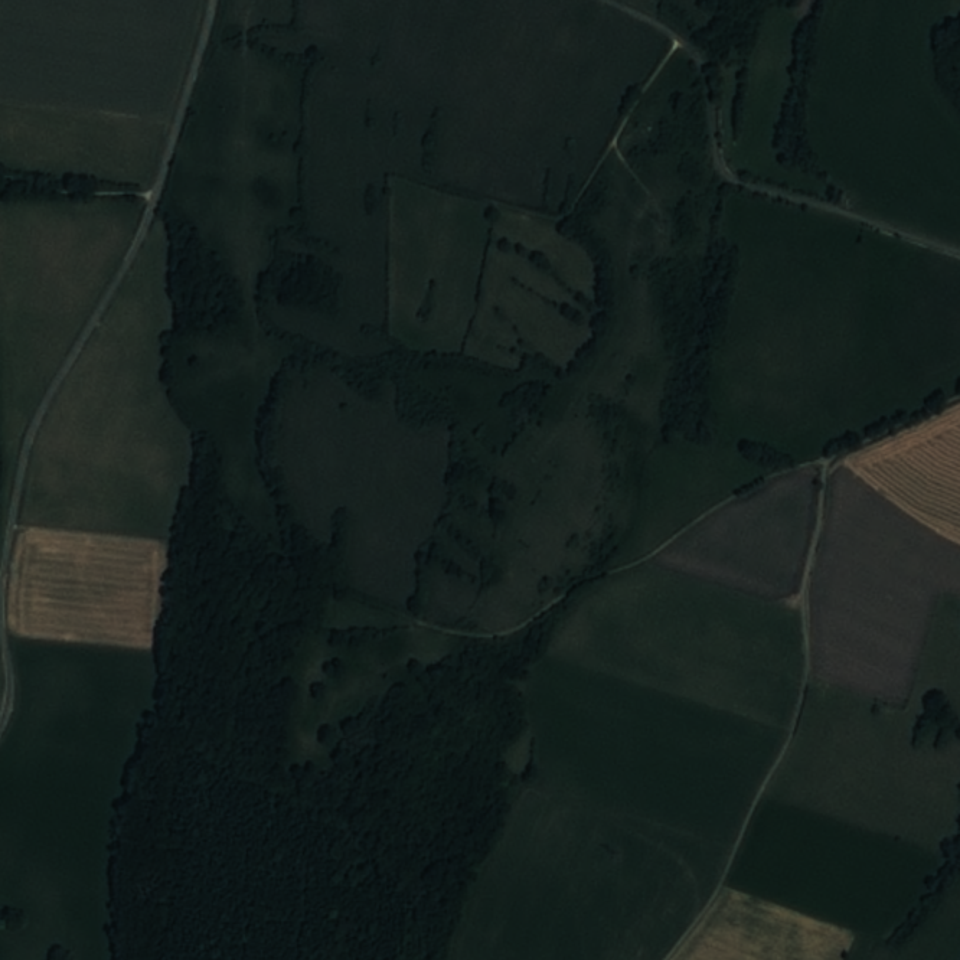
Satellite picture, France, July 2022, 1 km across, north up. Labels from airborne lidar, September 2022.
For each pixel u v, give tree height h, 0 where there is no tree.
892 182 0
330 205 0
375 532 0
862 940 0
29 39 0
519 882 0
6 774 0
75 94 0
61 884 0
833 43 0
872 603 0
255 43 13
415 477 0
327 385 0
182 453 0
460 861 19
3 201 17
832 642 0
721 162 0
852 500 0
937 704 16
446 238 0
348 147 0
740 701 0
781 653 0
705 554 0
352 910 12
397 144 0
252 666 7
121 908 17
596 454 0
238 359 0
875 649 0
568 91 0
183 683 12
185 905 11
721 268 17
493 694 10
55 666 0
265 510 0
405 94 0
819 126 0
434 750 9
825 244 0
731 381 0
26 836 0
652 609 0
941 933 0
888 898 0
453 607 0
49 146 0
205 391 0
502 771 18
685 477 0
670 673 0
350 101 0
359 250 0
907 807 0
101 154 0
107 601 0
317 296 7
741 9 5
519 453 0
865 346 0
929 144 0
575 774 0
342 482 0
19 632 0
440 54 0
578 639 0
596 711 0
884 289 0
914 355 0
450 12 0
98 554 0
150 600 0
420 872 13
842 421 0
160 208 7
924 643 0
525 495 0
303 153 7
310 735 0
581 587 15
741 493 13
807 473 0
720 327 23
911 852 0
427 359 6
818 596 0
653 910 0
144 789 16
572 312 18
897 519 0
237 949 12
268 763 15
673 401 11
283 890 12
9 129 0
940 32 20
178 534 13
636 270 10
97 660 0
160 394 0
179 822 11
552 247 0
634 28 0
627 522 0
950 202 0
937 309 0
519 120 0
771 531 0
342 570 9
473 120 0
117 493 0
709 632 0
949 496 0
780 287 0
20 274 0
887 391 0
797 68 14
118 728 0
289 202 0
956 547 0
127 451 0
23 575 0
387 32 0
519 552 0
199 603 10
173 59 0
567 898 0
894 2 0
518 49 0
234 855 11
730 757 0
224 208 0
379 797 15
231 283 10
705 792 0
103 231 0
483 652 8
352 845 20
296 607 12
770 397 0
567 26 0
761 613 0
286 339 11
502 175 0
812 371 0
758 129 0
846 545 0
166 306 0
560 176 0
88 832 0
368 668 0
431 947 17
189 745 14
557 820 0
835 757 0
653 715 0
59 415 0
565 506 0
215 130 0
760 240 0
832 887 0
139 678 0
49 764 0
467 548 7
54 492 0
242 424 0
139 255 0
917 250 0
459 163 0
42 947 0
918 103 0
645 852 0
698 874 0
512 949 0
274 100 0
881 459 0
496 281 0
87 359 0
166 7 0
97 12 0
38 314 0
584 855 0
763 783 0
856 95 0
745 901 0
